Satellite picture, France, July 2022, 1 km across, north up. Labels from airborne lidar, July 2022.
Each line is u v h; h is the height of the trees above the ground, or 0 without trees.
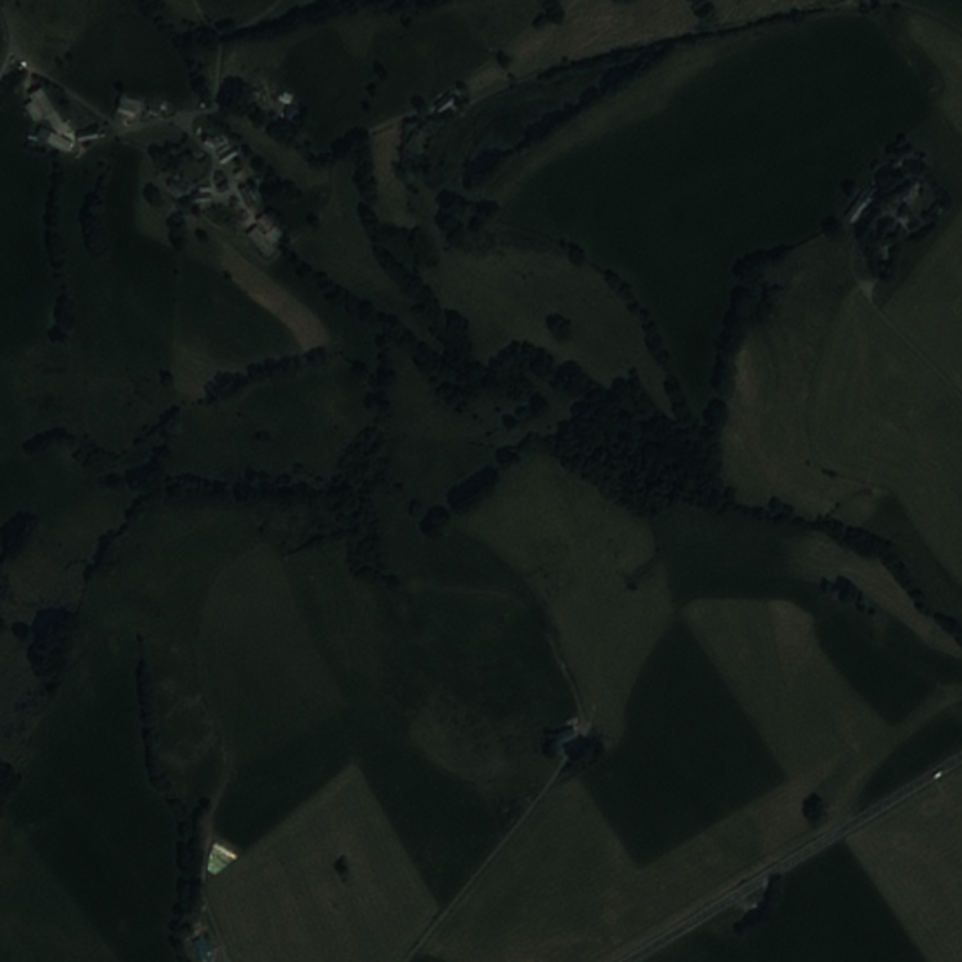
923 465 0
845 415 0
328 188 0
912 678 0
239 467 0
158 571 0
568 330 14
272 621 0
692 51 0
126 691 0
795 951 0
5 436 0
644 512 7
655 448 25
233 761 0
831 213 0
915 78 0
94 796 0
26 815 0
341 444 0
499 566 0
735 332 22
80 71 0
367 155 19
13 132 0
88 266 0
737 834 0
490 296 0
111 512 0
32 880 0
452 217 17
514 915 0
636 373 7
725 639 0
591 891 0
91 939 0
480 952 0
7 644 0
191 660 0
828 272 0
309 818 0
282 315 0
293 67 0
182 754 0
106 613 0
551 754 15
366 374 15
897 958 0
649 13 0
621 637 0
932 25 0
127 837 0
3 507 0
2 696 0
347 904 0
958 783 0
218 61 0
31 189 0
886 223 12
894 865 0
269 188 15
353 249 0
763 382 0
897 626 0
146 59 0
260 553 0
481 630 0
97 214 21
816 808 17
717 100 0
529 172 0
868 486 0
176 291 0
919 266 0
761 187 0
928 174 13
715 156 0
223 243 0
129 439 0
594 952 0
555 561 0
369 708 0
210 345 0
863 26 0
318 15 16
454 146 0
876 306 0
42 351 0
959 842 0
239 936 0
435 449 0
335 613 0
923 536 0
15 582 0
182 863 14
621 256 0
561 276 0
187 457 0
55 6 0
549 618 0
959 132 0
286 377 15
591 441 20
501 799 0
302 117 12
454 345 15
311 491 14
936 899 0
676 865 0
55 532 0
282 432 0
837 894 0
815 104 0
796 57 0
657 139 0
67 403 0
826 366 0
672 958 0
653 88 0
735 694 0
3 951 0
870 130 0
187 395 0
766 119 0
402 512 0
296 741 0
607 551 0
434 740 0
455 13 0
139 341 0
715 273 0
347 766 0
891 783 0
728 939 0
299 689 0
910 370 0
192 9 0
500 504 0
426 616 0
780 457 0
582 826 0
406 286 22
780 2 0
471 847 0
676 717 0
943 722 0
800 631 0
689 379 0
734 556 0
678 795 0
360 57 0
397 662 0
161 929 0
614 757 0
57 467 0
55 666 23
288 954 0
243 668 0
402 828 0
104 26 0
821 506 0
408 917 0
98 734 0
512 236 0
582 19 0
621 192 0
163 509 0
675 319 0
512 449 5
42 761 0
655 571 0
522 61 0
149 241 0
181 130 0
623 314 0
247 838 0
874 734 0
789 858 0
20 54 0
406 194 0
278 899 0
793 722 0
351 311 14
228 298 0
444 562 0
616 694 0
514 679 0
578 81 0
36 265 0
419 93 0
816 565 0
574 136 0
